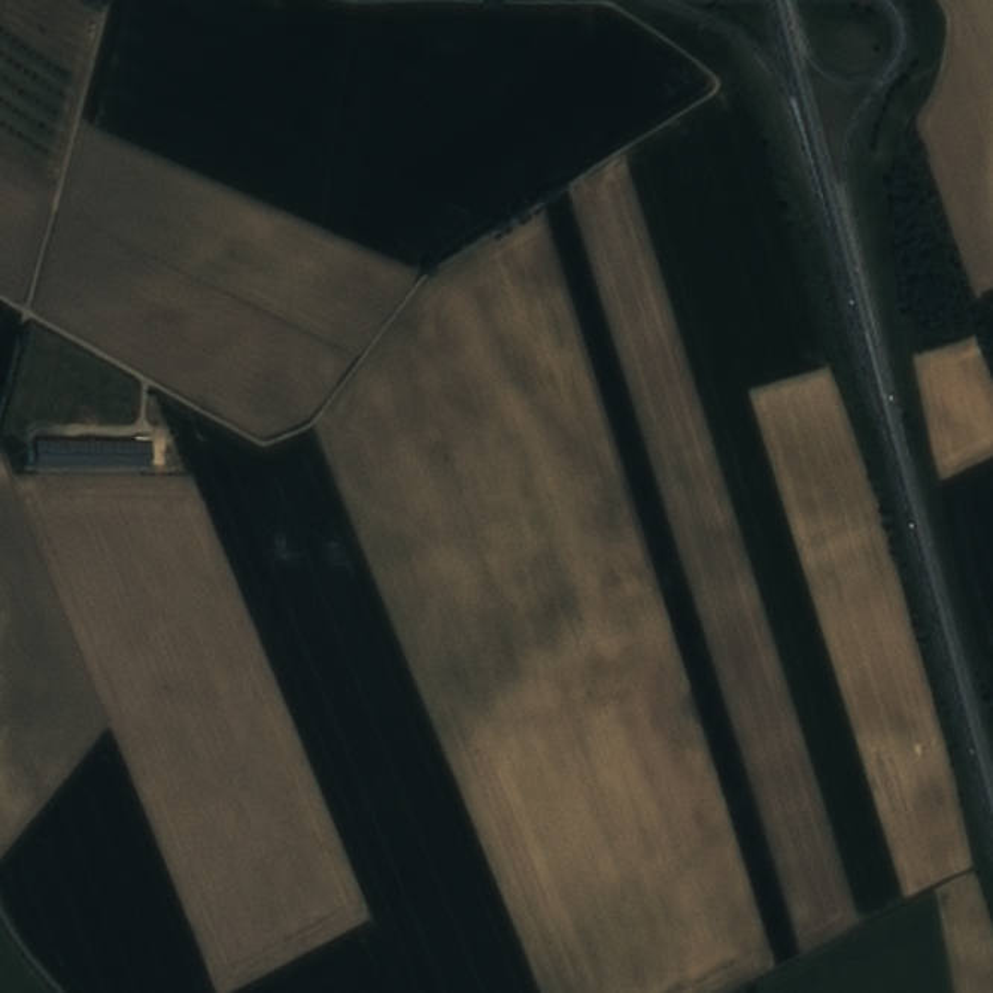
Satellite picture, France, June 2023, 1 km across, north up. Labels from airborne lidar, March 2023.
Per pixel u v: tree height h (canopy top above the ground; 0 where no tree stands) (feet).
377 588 0
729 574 0
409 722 0
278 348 0
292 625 0
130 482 0
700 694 0
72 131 0
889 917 0
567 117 0
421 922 0
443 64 0
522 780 0
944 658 0
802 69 0
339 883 0
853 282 0
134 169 0
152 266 0
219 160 0
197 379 0
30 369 0
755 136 0
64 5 0
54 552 0
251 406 0
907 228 47
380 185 0
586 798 0
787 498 0
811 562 0
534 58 0
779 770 0
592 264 0
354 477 0
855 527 0
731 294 0
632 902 0
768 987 0
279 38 0
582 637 0
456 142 0
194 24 0
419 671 0
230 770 0
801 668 0
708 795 0
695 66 0
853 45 0
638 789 0
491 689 0
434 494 0
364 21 0
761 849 0
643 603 0
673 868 0
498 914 0
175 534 0
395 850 0
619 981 0
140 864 0
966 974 0
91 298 0
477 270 0
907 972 0
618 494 0
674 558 0
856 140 0
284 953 0
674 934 0
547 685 0
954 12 0
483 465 0
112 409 0
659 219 0
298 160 0
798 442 0
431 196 0
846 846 0
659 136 0
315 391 0
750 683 0
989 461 0
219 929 0
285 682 0
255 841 0
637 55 0
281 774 0
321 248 0
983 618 0
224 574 0
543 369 0
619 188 0
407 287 0
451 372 0
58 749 0
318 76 0
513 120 0
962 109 0
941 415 0
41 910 0
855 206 0
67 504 0
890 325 0
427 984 0
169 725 0
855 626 0
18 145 0
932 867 0
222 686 0
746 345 0
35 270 0
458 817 0
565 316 0
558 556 0
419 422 0
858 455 0
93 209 0
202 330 0
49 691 0
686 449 0
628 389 0
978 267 0
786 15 0
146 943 0
